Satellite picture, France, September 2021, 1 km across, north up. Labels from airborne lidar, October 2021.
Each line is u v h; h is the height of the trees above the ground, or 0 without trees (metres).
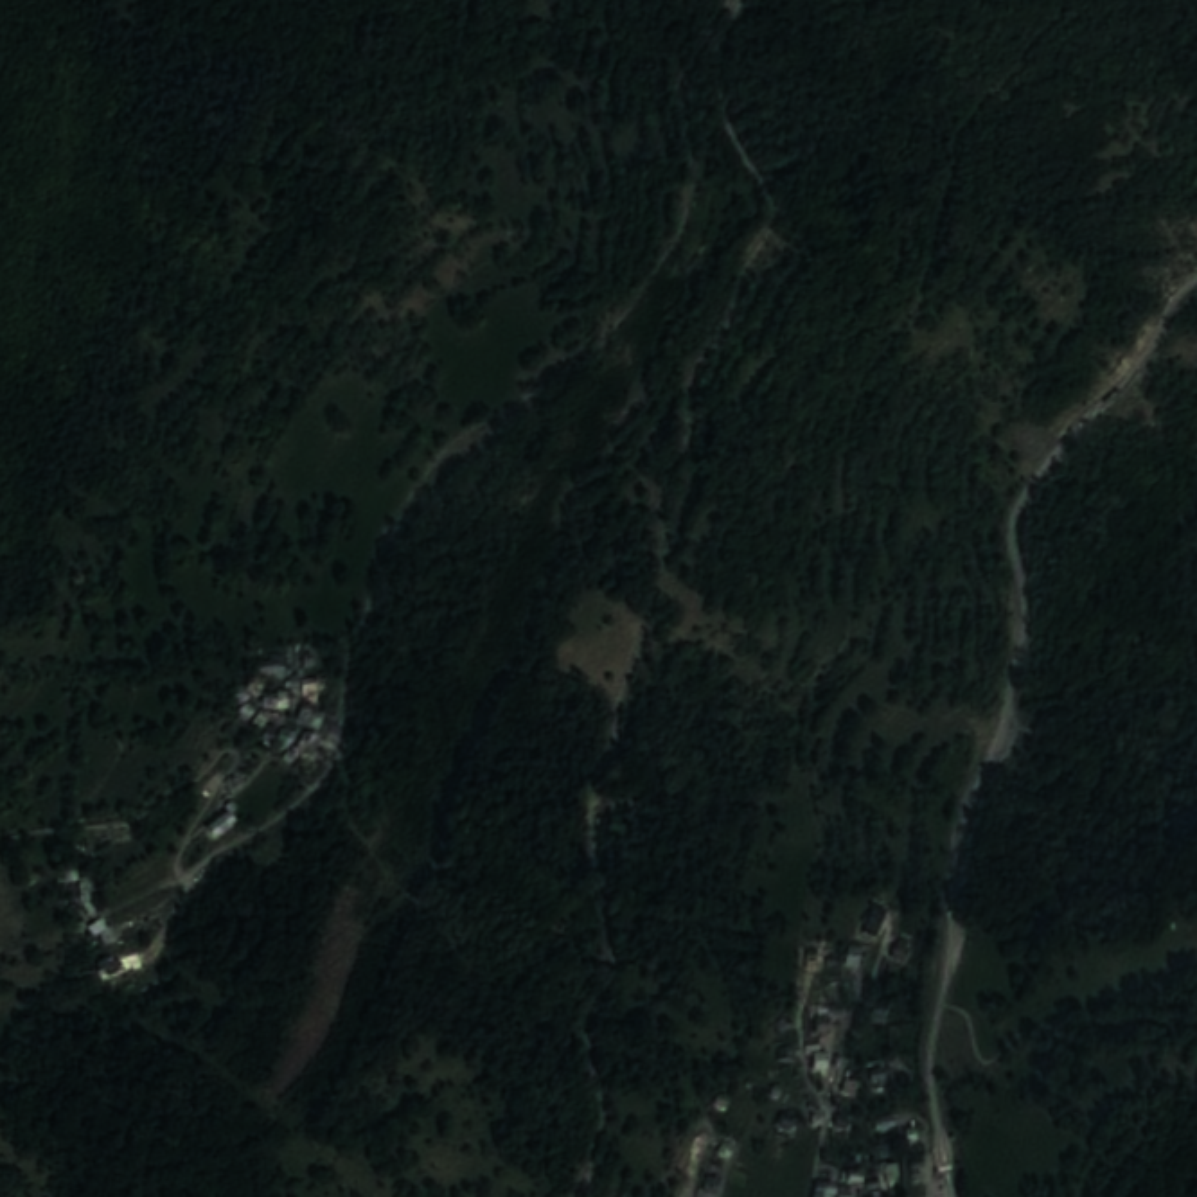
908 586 12
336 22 18
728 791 19
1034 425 6
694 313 24
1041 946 17
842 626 0
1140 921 19
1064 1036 18
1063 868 25
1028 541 13
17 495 19
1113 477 21
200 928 15
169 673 15
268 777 0
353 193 21
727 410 24
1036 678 21
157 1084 19
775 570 11
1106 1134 16
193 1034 17
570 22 15
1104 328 13
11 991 11
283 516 15
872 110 23
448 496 20
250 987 20
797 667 11
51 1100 15
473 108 15
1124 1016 14
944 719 0
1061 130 8
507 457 19
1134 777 23
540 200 0
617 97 17
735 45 14
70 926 15
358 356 15
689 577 16
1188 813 18
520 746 29
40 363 16
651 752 26
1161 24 19
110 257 17
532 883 29
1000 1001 12
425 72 12
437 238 10
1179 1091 15
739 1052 16
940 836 0
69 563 10
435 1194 17
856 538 14
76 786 12
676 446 28
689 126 15
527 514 9
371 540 0
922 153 19
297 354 15
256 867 17
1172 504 27
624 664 0
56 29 11
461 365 0
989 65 12
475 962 15
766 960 12
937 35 7
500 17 18
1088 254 11
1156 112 7
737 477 25
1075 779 18
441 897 24
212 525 18
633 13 22
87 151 12
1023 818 21
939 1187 0
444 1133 17
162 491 14
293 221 13
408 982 25
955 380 9
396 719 30
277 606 0
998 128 15
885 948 0
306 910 18
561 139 9
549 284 9
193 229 10
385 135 14
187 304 19
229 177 19
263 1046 19
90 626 15
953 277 24
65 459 22
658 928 20
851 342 15
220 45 20
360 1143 18
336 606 0
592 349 9
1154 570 25
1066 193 15
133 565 0
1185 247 8
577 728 29
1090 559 29
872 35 17
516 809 17
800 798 0
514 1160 16
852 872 13
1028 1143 0
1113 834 23
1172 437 17
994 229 18
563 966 26
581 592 23
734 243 16
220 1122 27
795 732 16
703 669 15
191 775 13
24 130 12
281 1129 5
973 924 21
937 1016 0
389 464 8
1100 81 17
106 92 17
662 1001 11
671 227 12
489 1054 17
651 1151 0
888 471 15
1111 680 25
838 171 31
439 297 11
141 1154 24
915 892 19
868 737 0
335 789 10
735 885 9
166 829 10
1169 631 27
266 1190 19
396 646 22
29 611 19
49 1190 10
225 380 18
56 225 12
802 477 18
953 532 16
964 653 12
